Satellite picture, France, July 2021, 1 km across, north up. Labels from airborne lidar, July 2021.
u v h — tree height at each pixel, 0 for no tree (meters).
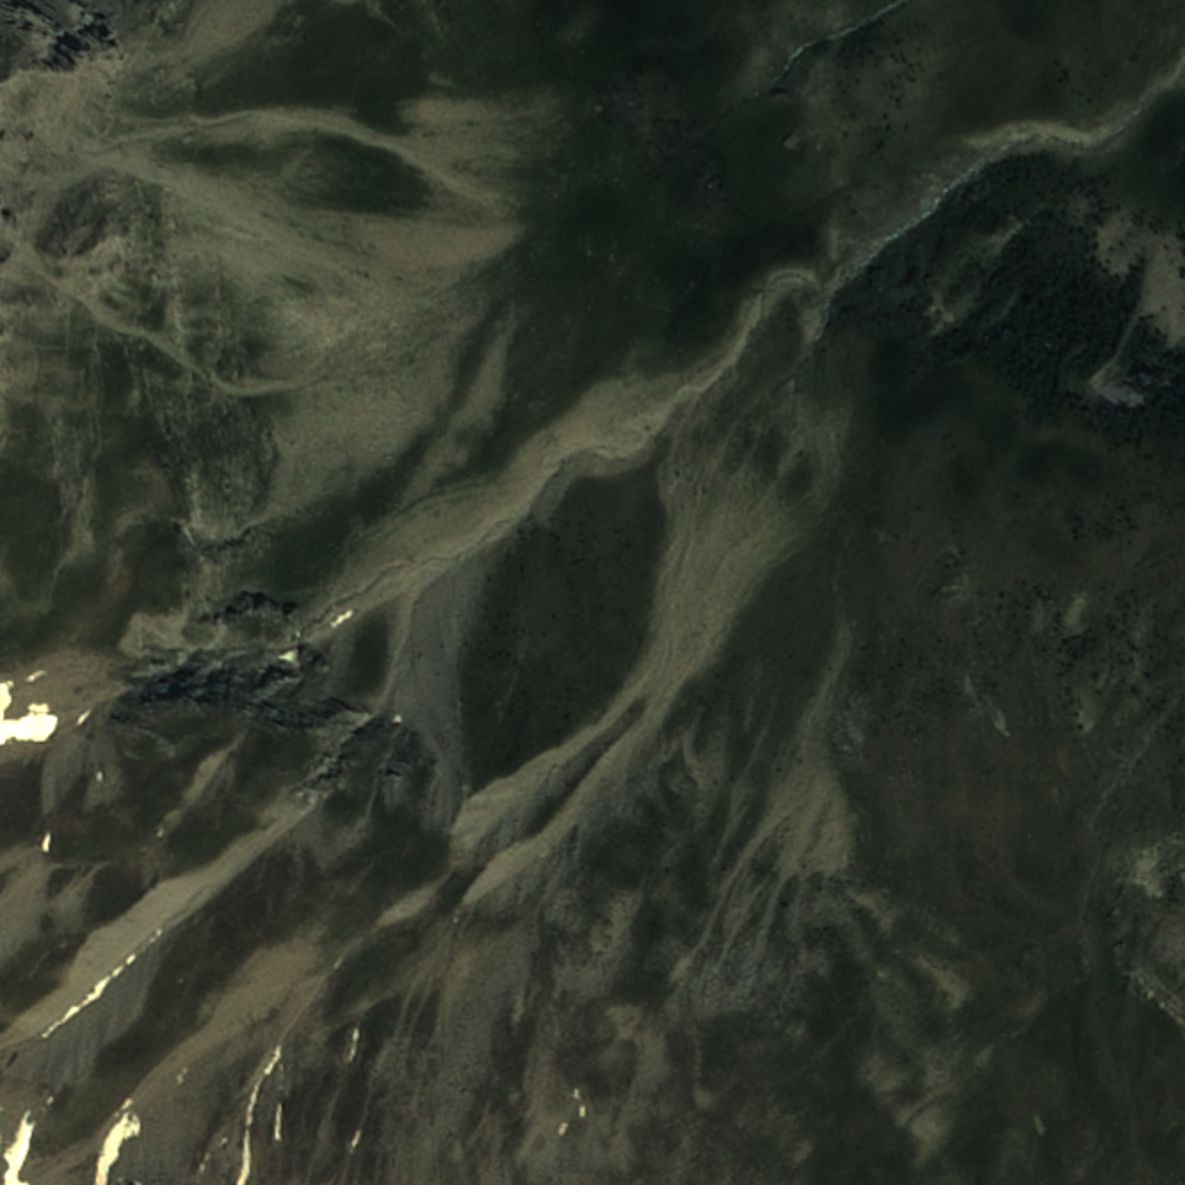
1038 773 0
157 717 0
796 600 0
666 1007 0
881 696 0
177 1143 0
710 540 0
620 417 0
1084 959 0
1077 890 0
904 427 0
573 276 0
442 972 0
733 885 0
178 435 0
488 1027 0
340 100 0
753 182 0
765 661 0
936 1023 0
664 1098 0
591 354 0
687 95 0
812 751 0
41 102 0
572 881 0
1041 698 0
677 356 0
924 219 0
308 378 0
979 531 0
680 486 0
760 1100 0
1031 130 0
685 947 0
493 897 0
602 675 0
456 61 0
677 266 0
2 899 0
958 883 0
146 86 0
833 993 0
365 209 0
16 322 0
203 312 0
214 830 0
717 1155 0
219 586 0
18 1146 0
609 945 0
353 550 0
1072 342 11
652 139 0
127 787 0
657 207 0
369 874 0
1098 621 0
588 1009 0
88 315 0
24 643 0
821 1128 0
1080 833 0
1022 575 0
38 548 0
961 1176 0
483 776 0
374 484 0
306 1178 0
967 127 0
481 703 0
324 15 0
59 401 0
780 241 0
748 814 0
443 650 0
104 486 0
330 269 0
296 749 0
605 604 0
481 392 0
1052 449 0
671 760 0
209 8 0
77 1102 0
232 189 0
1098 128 0
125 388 0
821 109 0
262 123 0
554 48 0
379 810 0
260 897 0
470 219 0
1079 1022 0
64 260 0
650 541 0
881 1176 0
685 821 0
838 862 0
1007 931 0
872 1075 0
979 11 0
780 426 0
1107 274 8
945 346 7
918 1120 0
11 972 0
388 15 0
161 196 0
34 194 0
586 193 0
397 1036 0
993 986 0
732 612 0
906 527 0
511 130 0
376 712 0
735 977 0
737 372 0
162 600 0
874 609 0
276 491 0
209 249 0
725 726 0
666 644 0
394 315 0
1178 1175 0
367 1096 0
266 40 0
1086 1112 0
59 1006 0
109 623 0
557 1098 0
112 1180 0
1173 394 10
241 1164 0
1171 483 0
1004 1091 0
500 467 0
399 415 0
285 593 0
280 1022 0
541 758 0
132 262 0
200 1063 0
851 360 0
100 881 0
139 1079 0
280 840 0
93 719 0
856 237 0
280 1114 0
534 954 0
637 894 0
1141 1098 0
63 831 0
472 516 0
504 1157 0
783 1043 0
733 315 0
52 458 0
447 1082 0
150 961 0
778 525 0
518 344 0
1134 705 0
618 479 0
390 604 0
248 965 0
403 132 0
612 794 0
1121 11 0
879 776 0
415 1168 0
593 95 0
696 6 0
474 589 0
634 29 0
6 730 0
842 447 0
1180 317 0
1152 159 0
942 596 0
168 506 0
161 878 0
